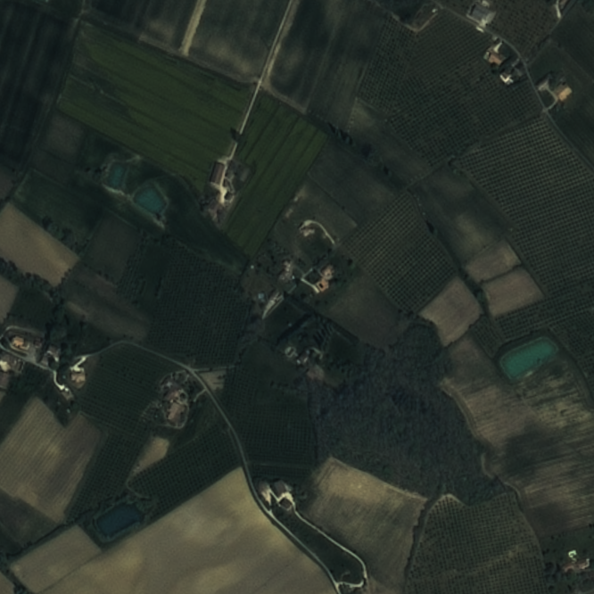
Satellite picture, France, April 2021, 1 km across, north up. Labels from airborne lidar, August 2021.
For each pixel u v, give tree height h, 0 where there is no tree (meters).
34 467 0
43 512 0
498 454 0
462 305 0
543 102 0
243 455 0
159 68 0
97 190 0
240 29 0
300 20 0
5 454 0
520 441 0
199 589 0
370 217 0
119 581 0
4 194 0
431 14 0
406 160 0
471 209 0
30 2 0
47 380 0
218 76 0
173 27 0
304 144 0
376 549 0
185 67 0
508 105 6
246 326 10
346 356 0
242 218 0
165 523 0
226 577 0
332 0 0
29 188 0
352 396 17
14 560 8
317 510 0
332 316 0
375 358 13
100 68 0
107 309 0
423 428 22
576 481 0
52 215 0
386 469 16
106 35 0
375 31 0
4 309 0
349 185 0
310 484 0
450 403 22
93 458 0
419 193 0
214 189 0
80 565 0
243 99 0
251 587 0
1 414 0
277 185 0
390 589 0
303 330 13
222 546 0
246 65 0
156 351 0
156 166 0
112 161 0
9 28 0
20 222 0
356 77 0
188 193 0
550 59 0
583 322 6
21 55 0
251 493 0
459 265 0
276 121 0
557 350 0
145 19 0
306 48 0
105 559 0
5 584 0
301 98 0
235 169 15
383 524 0
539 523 0
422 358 14
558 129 0
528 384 0
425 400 15
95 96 0
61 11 0
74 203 0
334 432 14
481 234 0
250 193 0
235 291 8
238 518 0
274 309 0
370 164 28
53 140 0
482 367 0
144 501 9
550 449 0
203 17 0
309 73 0
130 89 0
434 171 0
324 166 0
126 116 0
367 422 22
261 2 0
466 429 26
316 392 17
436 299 0
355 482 0
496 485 9
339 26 0
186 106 0
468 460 17
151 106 0
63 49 0
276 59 0
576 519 0
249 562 0
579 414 0
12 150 0
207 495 0
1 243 0
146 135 0
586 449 0
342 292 0
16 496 0
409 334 7
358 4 0
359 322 0
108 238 0
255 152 0
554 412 0
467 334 0
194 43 0
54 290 10
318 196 0
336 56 0
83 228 0
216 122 0
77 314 0
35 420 0
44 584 0
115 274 0
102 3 0
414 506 0
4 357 0
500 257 0
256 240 0
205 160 0
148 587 0
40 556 0
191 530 0
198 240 0
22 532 0
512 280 0
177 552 0
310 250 0
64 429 0
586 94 0
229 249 0
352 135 0
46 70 0
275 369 0
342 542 0
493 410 0
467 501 10
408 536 0
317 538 0
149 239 14
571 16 0
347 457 17
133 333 0
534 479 0
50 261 0
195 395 10
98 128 0
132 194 0
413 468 13
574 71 0
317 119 0
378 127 0
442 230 0
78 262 0
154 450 0
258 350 0
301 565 0
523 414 0
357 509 0
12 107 0
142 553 0
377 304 0
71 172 0
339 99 0
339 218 0
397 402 21
